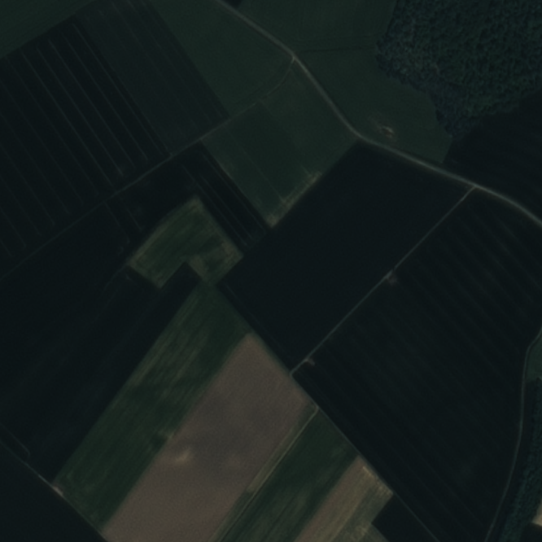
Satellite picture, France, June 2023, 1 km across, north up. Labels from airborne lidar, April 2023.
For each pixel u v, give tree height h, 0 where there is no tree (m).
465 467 0
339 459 0
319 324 0
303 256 0
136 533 0
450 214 0
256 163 0
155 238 0
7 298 0
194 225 0
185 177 0
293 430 0
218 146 0
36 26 0
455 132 24
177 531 0
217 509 0
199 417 0
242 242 0
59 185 0
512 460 0
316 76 0
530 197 0
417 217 0
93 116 0
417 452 0
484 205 0
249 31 0
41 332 0
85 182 0
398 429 0
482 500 0
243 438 0
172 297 0
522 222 0
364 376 0
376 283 0
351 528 0
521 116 0
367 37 0
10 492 0
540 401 9
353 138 0
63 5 0
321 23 0
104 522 0
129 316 0
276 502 0
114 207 0
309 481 0
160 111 0
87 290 0
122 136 0
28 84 0
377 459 0
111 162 0
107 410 0
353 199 0
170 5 0
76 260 0
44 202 0
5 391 0
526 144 0
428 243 0
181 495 0
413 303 0
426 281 0
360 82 0
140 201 0
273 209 0
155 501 0
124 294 0
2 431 0
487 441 0
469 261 0
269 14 0
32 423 0
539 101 0
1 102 0
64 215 0
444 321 0
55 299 0
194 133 0
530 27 18
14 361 0
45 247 0
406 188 0
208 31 0
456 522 0
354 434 0
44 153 0
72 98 0
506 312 0
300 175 0
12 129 0
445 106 22
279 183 0
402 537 0
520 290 0
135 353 0
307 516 0
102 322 0
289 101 0
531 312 0
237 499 0
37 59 0
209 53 0
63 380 0
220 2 0
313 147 0
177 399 0
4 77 0
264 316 0
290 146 0
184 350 0
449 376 0
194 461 0
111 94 0
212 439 0
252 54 0
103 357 0
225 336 0
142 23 0
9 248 0
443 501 0
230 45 0
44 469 0
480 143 0
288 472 0
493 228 0
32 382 0
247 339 0
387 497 0
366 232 0
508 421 0
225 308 0
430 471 0
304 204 0
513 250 0
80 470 0
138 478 0
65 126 0
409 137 0
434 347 0
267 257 0
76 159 0
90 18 0
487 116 0
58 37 0
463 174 0
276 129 0
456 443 0
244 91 0
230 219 0
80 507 0
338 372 0
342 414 0
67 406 0
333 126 0
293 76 0
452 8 20
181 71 0
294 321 0
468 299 0
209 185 0
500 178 0
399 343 0
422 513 0
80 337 0
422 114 0
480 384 0
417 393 0
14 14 0
